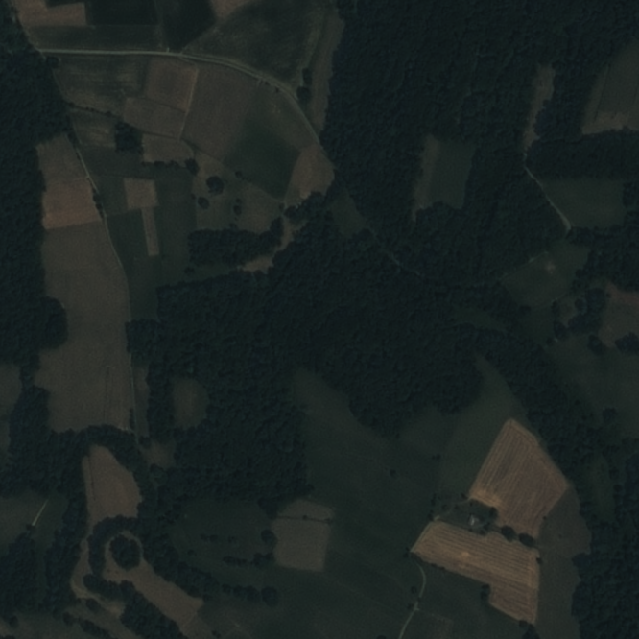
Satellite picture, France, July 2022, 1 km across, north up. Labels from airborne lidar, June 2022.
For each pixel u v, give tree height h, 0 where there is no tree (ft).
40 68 53
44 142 46
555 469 0
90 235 0
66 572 68
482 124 61
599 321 69
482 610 0
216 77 0
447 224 82
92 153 0
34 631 0
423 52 94
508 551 0
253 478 67
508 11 82
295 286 73
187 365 81
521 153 40
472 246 98
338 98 72
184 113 0
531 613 0
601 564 84
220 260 30
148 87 0
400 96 60
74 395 0
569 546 0
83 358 0
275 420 82
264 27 0
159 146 0
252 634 0
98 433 57
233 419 90
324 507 0
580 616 80
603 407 0
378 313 77
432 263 95
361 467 0
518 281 0
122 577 0
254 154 0
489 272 65
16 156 86
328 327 95
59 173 0
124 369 0
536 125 0
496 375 0
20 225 75
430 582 0
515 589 0
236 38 0
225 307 65
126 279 0
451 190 0
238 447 79
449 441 0
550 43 80
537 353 59
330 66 0
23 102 66
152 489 82
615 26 82
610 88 0
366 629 0
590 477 0
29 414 83
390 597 0
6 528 0
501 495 0
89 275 0
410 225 87
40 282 58
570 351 0
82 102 0
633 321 0
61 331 99
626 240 90
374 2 86
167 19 0
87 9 0
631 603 90
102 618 0
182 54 0
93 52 0
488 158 62
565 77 77
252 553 0
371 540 0
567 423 80
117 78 0
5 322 51
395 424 95
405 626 0
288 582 0
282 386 51
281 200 0
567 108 53
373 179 101
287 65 0
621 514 65
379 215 87
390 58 92
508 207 92
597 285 0
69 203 0
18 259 73
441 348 73
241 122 0
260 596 63
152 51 0
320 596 0
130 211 0
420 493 0
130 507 0
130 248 0
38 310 93
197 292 72
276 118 0
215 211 0
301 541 0
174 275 0
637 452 0
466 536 0
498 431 0
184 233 0
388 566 0
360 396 94
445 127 89
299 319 72
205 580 77
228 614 0
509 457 0
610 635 71
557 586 0
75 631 0
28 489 42
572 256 0
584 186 0
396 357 88
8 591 68
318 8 0
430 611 0
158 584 0
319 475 0
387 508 0
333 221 79
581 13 83
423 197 0
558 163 73
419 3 91
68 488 52
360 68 97
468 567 0
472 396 79
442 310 66
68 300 0
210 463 83
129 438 56
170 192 0
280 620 0
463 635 0
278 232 71
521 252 74
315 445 0
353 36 83
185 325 63
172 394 55
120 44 0
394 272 71
